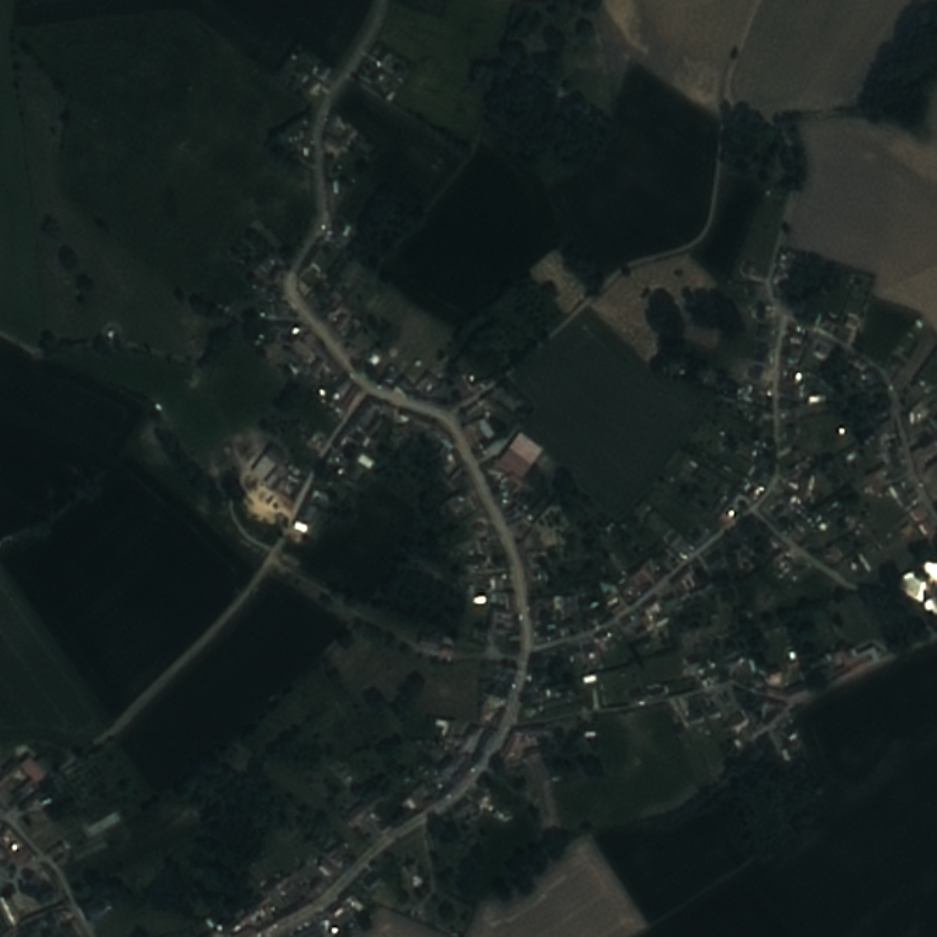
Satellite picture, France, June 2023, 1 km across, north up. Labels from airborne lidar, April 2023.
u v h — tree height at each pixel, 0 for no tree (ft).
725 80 0
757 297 0
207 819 55
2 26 0
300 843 0
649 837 0
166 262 0
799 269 28
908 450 0
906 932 0
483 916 0
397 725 0
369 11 0
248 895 29
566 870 0
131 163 0
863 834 0
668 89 0
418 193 0
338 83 0
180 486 0
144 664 0
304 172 0
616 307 0
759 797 65
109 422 0
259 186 0
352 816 0
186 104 0
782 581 0
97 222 28
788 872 0
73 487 41
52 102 0
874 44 0
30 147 0
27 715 0
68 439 0
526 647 0
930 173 0
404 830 0
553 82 35
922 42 110
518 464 0
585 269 39
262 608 0
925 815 0
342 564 0
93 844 0
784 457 0
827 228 0
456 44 0
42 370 0
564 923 0
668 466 0
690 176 0
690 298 53
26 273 0
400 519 0
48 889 45
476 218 0
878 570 0
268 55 0
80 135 0
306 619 0
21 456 0
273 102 0
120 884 61
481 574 0
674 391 0
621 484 0
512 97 103
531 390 0
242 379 0
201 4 0
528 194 0
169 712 0
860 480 0
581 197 0
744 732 0
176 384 0
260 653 0
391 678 0
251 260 26
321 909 0
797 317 44
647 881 0
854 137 0
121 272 0
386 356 0
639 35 0
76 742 0
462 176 0
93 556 0
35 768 0
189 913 44
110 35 0
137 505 0
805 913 0
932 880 0
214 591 0
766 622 30
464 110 0
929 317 0
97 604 0
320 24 0
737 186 0
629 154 0
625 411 0
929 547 52
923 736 0
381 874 0
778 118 38
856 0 0
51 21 0
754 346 0
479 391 0
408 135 0
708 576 23
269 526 0
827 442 0
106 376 0
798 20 0
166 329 0
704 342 0
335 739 0
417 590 53
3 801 0
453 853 0
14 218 0
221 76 0
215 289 0
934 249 0
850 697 0
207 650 0
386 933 0
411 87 0
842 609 0
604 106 0
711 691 0
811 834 0
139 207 0
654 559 18
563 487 52
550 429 0
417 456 20
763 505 0
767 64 0
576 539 24
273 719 0
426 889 26
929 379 0
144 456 0
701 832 0
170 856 0
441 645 0
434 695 0
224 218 0
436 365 0
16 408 0
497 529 0
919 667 0
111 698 0
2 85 0
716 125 0
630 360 0
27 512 0
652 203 0
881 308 0
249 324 51
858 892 0
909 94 81
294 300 0
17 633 0
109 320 0
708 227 0
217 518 0
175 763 0
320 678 0
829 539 0
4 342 0
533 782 0
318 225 0
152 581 0
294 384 41
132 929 0
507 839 0
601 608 23
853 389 24
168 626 0
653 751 0
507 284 42
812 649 60
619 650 0
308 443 0
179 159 0
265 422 28
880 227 0
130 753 0
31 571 0
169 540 0
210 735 0
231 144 0
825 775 0
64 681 0
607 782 0
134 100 0
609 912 0
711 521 0
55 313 0
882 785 0
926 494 0
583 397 0
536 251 0
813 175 0
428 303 0
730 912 0
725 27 0
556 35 46
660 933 0
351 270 0
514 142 38
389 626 0
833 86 0
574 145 88
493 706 0
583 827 29
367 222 47
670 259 0
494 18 0
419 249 0
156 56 0
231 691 0
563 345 0
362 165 43
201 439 0
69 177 0
